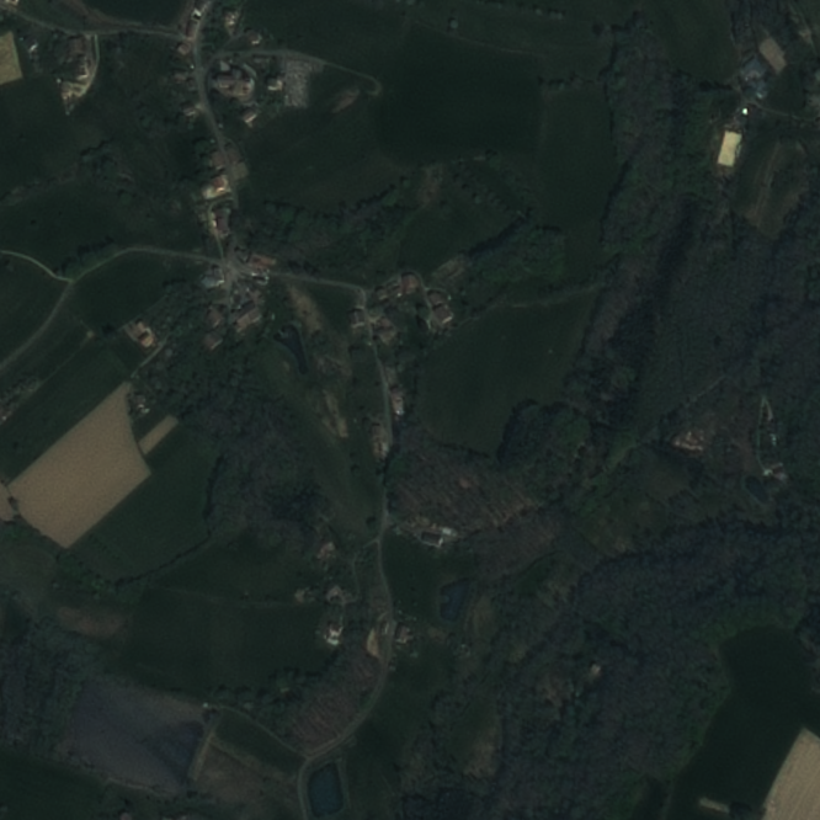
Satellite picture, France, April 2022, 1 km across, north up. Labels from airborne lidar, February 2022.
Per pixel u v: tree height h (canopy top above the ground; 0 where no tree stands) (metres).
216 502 25
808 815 0
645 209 29
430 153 0
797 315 34
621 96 18
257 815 0
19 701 27
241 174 0
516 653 0
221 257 0
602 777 29
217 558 0
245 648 0
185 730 0
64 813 0
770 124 0
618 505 0
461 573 0
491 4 7
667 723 33
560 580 0
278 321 0
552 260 25
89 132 0
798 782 0
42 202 0
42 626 9
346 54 0
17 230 0
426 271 0
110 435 0
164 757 0
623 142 22
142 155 0
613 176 0
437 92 0
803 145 8
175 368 10
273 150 0
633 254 24
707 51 0
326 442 0
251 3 0
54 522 0
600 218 0
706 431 0
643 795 0
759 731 0
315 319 0
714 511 0
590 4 0
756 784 0
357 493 0
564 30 0
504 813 30
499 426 0
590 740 28
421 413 0
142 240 0
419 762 0
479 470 24
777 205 0
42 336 0
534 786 29
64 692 19
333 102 0
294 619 0
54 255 0
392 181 0
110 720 0
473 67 0
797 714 0
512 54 0
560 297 16
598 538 0
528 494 26
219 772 0
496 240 0
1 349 0
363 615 11
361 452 0
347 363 0
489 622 0
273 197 0
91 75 0
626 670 30
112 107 0
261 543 20
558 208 0
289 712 21
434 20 0
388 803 0
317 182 0
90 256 21
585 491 19
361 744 0
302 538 24
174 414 9
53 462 0
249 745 0
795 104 0
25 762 0
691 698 29
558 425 28
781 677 0
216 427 24
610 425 23
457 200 0
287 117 0
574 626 23
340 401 0
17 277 0
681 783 0
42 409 0
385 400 0
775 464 0
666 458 16
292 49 0
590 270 0
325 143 0
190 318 8
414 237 0
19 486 0
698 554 21
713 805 0
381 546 0
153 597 0
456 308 0
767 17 24
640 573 31
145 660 0
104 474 0
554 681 0
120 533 0
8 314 0
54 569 0
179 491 0
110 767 0
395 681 0
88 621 0
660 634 33
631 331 32
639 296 26
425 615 0
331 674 19
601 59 0
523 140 0
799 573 33
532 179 0
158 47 0
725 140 0
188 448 0
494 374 0
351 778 0
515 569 20
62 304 0
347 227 22
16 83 0
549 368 0
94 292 0
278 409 22
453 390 0
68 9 10
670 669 25
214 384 13
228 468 19
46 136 0
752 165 0
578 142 0
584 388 31
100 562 0
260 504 30
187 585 0
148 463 0
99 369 0
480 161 0
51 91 0
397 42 0
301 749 21
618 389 26
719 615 31
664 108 32
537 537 29
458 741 0
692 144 26
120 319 0
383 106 0
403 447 25
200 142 10
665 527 0
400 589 0
